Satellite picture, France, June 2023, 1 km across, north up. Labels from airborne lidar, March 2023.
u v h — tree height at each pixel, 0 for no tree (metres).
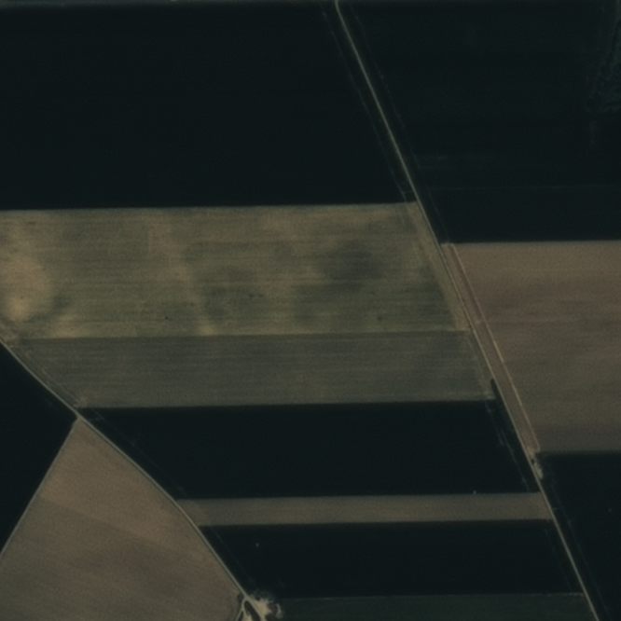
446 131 0
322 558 0
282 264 0
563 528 0
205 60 0
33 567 0
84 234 0
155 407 0
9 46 0
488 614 0
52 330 0
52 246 0
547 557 0
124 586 0
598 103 15
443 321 0
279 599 0
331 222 0
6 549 0
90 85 0
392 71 0
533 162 0
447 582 0
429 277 0
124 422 0
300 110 0
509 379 0
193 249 0
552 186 0
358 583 0
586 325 0
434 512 0
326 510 0
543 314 0
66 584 0
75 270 0
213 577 0
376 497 0
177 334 0
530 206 0
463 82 0
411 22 0
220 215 0
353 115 0
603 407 0
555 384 0
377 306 0
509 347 0
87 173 0
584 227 0
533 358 0
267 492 0
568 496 0
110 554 0
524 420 0
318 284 0
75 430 0
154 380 0
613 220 0
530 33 0
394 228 0
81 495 0
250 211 0
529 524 0
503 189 0
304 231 0
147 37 0
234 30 0
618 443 0
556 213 0
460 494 0
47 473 0
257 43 0
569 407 0
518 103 0
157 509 0
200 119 0
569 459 0
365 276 0
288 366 0
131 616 0
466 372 0
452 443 0
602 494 0
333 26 0
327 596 0
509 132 0
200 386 0
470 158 0
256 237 0
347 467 0
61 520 0
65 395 0
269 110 0
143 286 0
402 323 0
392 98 0
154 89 0
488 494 0
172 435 0
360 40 0
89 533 0
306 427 0
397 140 0
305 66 0
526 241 0
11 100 0
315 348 0
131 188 0
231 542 0
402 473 0
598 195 0
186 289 0
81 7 0
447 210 0
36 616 0
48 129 0
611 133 0
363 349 0
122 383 0
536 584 0
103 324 0
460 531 0
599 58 0
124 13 0
